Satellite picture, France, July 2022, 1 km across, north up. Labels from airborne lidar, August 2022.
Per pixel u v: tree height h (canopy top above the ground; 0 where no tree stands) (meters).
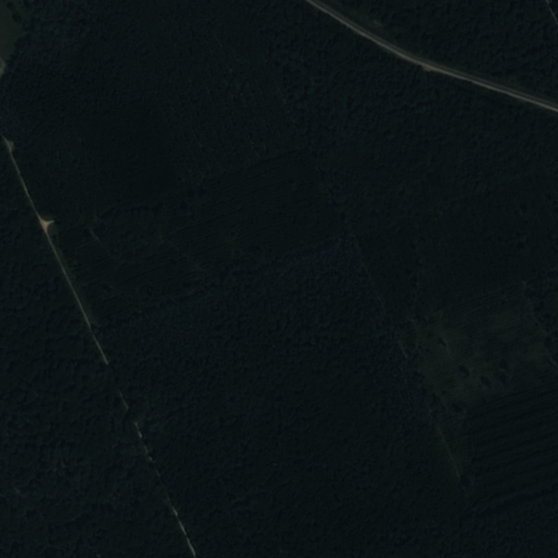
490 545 21
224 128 15
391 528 30
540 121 20
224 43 17
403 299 8
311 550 27
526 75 26
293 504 28
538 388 6
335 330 24
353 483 24
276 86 16
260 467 31
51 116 18
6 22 0
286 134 16
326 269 13
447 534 22
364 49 19
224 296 21
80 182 11
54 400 23
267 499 29
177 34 17
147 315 19
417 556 22
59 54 22
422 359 22
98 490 28
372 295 18
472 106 24
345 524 28
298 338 25
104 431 29
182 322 22
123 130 23
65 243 8
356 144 24
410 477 22
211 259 6
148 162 21
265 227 6
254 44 16
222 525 30
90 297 6
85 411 30
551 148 15
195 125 16
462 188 18
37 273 24
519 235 17
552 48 26
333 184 16
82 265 8
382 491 24
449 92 27
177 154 16
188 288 25
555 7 20
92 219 15
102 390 27
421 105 25
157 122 23
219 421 18
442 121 18
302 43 22
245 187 7
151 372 21
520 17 26
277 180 6
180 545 25
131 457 29
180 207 7
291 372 23
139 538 23
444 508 27
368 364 17
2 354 26
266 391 22
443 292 8
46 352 21
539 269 6
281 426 26
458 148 23
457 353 0
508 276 10
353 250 20
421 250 6
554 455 8
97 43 19
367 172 19
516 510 21
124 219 25
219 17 17
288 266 23
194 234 6
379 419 21
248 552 29
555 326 22
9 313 27
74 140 9
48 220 0
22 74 19
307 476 29
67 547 29
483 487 7
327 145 19
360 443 25
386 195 18
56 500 25
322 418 22
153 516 23
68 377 31
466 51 23
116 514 26
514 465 8
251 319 23
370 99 22
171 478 24
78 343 28
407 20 26
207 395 21
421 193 22
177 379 23
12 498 26
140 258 25
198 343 20
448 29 21
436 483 26
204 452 25
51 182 16
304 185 8
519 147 21
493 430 8
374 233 8
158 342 21
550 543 24
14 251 25
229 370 25
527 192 6
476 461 11
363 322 19
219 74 18
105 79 21
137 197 19
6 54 0
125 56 18
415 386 23
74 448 28
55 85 21
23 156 13
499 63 22
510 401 8
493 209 5
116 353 23
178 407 13
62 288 24
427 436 25
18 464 18
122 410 26
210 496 21
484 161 23
